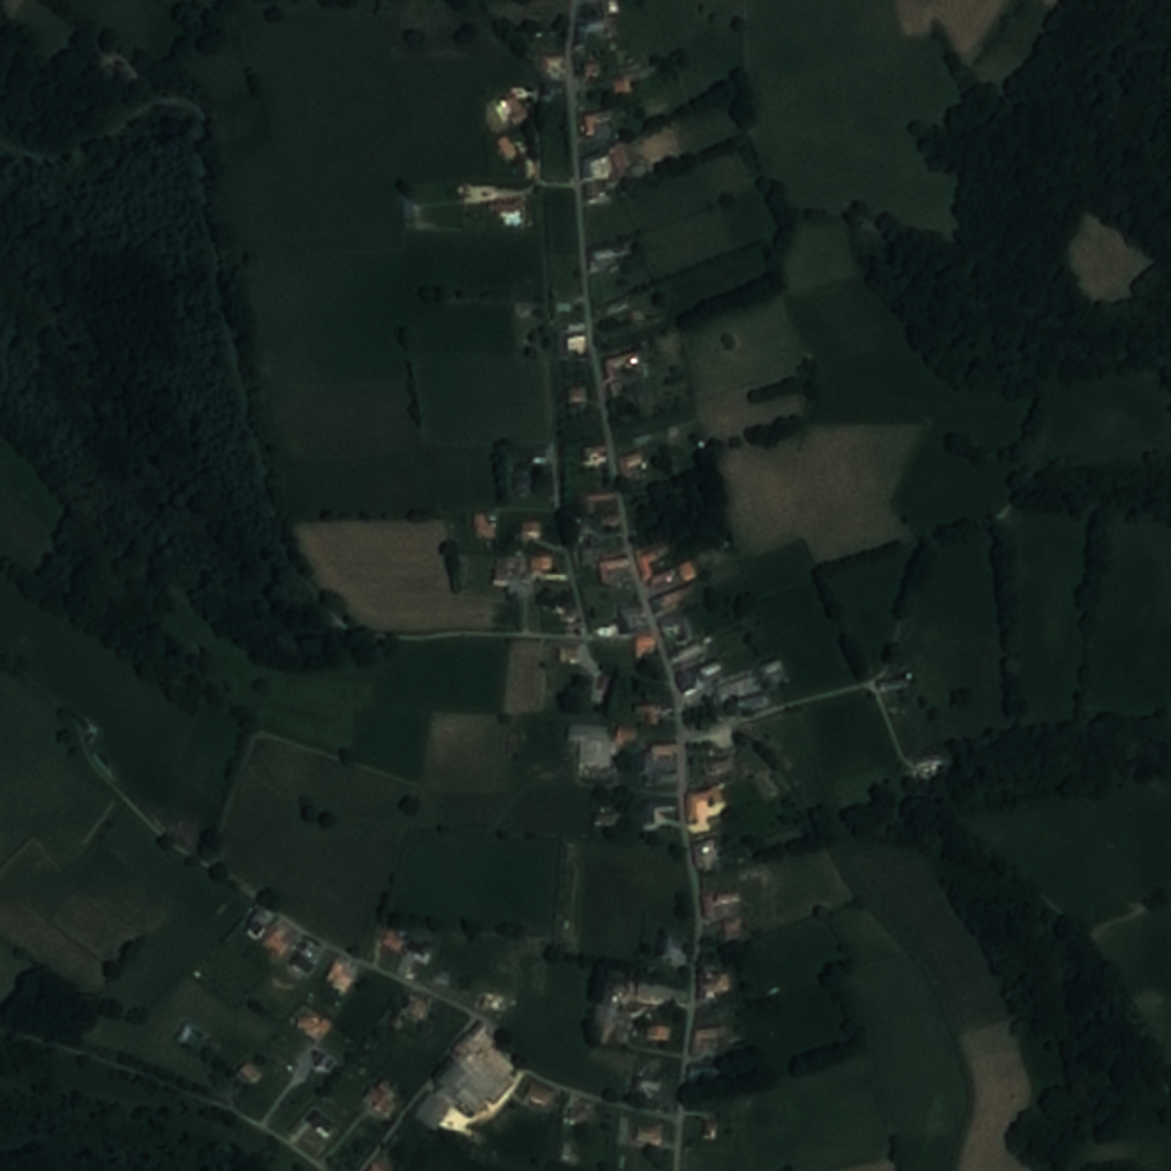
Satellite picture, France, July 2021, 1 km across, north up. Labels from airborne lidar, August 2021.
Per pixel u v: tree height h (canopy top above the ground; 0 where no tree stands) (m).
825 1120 0
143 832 0
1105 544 22
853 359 0
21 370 21
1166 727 25
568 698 20
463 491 0
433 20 0
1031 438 15
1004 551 21
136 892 0
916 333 23
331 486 0
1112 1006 17
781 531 0
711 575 8
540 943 0
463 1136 12
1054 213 17
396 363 0
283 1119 0
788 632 0
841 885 0
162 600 11
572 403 7
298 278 0
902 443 0
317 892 0
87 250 24
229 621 27
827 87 0
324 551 0
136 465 30
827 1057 20
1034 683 0
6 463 0
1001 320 20
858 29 0
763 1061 19
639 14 0
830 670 0
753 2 0
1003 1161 0
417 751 0
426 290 12
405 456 0
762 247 8
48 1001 21
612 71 6
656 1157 10
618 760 13
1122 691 0
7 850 0
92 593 24
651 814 0
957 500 0
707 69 0
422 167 0
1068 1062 12
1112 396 0
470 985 9
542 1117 6
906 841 19
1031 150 23
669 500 10
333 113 0
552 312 7
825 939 0
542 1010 0
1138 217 25
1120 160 23
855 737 0
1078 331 23
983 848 21
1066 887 0
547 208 0
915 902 0
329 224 0
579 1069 0
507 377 0
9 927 0
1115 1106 17
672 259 0
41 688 0
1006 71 0
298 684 0
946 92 0
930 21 0
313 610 13
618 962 12
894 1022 0
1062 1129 18
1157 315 17
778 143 0
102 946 0
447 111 0
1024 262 23
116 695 0
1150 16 25
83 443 30
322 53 0
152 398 27
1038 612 0
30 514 0
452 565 13
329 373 0
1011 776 28
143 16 0
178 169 25
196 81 8
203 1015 0
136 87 19
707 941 7
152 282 30
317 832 0
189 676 12
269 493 15
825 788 0
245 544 30
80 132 21
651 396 0
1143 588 0
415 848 0
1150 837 0
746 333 0
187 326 30
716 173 0
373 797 0
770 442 15
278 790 0
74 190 23
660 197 0
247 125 0
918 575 22
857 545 0
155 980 0
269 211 0
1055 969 19
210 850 16
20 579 17
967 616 0
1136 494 15
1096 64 23
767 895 0
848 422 0
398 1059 0
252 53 0
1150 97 19
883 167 0
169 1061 0
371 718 0
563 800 0
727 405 0
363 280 0
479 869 0
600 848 0
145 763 0
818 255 0
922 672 0
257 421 9
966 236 16
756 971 0
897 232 19
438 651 0
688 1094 16
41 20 0
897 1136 8
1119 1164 10
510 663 0
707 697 10
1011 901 9
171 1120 23
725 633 0
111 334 25
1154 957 0
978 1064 0
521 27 9
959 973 0
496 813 0
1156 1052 27
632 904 0
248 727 14
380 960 0
